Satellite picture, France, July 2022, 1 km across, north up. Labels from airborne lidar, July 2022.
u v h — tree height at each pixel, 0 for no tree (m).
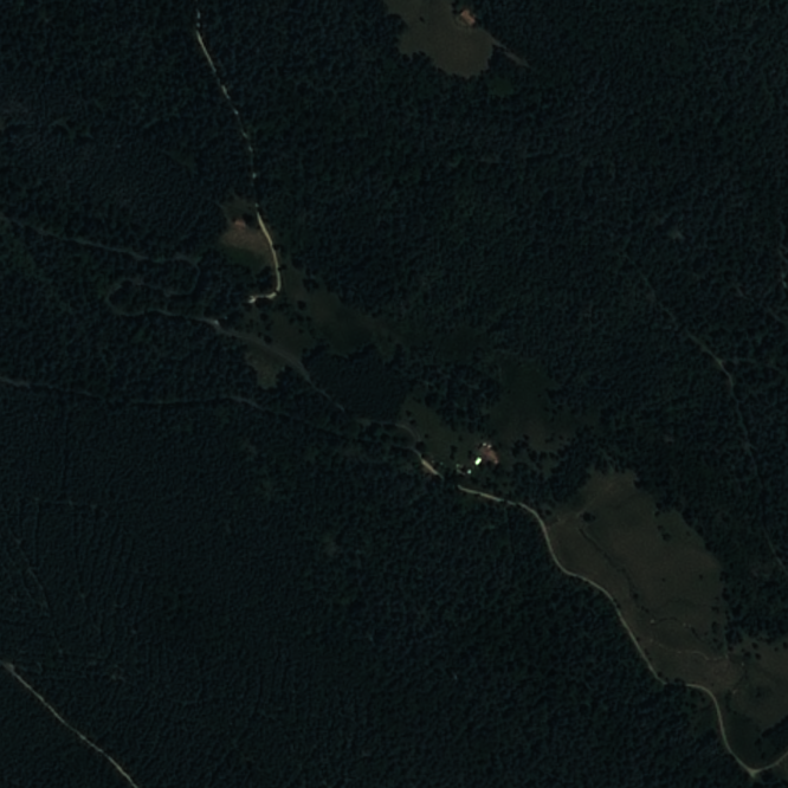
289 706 16
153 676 17
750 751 0
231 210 0
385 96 10
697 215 25
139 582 17
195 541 16
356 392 21
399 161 19
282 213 11
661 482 8
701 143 15
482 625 11
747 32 13
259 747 13
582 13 16
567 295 14
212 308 10
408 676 20
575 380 16
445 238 17
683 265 13
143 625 18
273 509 15
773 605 12
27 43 31
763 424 15
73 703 16
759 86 18
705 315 12
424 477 7
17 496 16
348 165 23
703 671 0
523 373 0
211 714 17
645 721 24
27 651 15
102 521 14
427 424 0
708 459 17
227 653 12
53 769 18
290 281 0
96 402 19
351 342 0
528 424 0
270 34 18
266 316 11
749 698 0
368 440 12
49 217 24
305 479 18
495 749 20
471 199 20
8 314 23
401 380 18
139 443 18
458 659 26
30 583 13
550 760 25
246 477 15
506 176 25
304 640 13
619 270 18
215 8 6
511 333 19
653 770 26
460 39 0
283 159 14
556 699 20
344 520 17
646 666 10
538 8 7
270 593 15
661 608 0
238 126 28
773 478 19
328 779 18
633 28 12
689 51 11
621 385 17
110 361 23
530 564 17
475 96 9
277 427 20
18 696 16
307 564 15
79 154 24
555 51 22
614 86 18
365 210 20
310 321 11
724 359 16
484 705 20
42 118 23
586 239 13
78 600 15
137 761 17
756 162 17
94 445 17
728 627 7
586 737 25
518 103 25
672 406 18
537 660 15
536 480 16
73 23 19
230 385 25
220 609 16
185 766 16
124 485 18
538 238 27
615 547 0
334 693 15
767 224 17
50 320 15
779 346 16
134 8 23
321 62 7
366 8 17
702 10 9
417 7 0
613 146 25
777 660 0
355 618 14
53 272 17
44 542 13
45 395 21
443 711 26
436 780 18
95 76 19
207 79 19
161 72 10
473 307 14
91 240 25
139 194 22
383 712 19
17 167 15
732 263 30
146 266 14
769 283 19
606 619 18
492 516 14
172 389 25
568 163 23
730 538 7
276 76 12
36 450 21
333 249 13
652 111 13
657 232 13
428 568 18
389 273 24
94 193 24
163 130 24
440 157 12
